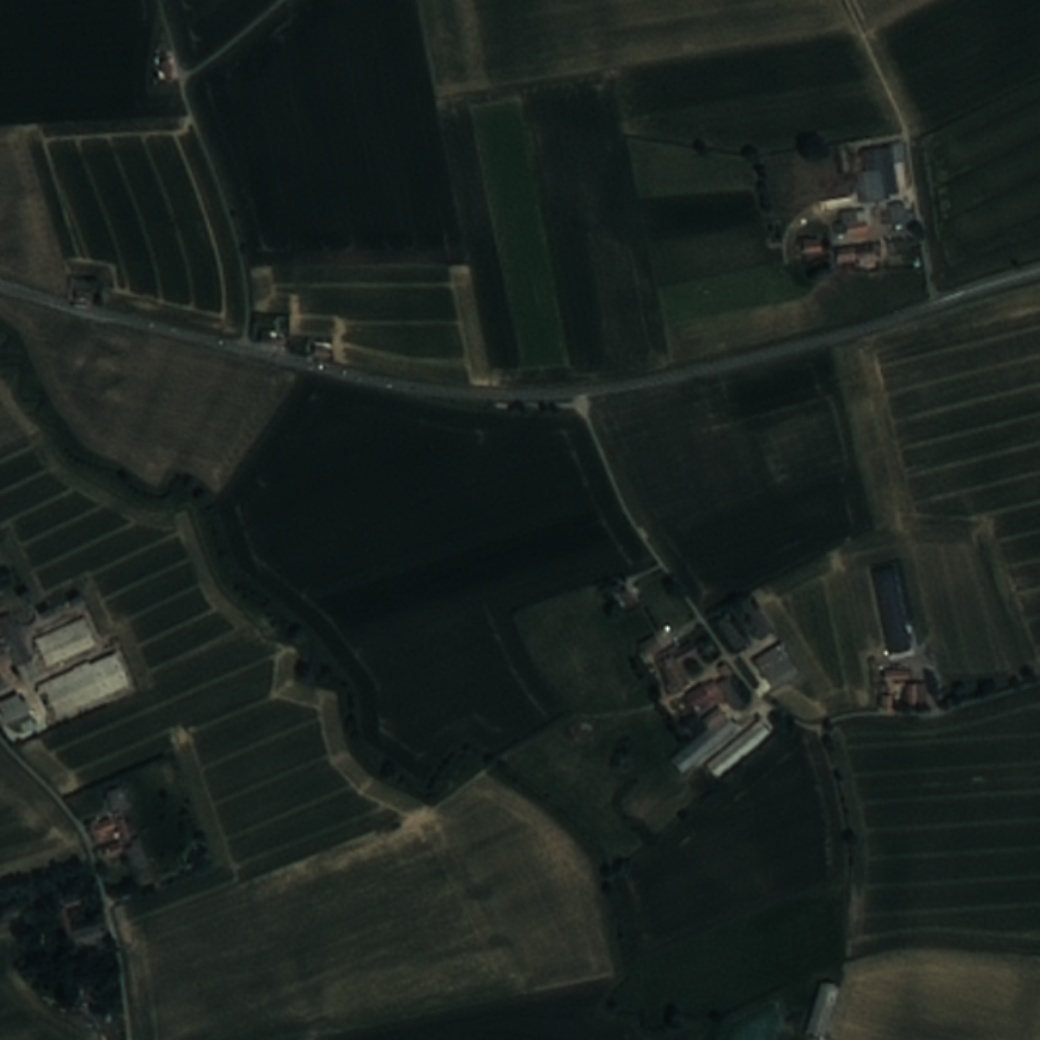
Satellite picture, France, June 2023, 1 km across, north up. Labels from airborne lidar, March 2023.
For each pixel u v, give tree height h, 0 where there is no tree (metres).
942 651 0
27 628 0
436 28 0
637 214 0
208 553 0
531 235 0
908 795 0
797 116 0
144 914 0
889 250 0
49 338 0
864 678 0
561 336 0
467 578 0
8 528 0
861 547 0
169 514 0
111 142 0
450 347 0
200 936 0
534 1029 0
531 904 0
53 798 0
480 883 0
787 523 0
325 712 0
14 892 18
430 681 0
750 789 0
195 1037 0
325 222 0
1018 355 0
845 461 0
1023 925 0
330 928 0
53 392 0
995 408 0
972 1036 0
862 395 0
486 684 0
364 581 0
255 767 0
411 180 0
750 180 0
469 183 0
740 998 0
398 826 0
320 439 0
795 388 0
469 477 0
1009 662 0
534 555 0
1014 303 0
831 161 0
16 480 0
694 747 0
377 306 0
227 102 0
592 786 0
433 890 0
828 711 0
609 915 0
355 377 0
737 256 0
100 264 0
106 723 0
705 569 0
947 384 0
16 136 0
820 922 0
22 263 0
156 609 0
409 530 0
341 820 0
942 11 0
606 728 0
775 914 0
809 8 0
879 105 0
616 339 0
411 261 0
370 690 0
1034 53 0
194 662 0
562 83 0
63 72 0
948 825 0
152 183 0
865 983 0
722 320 0
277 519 0
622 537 0
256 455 0
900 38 0
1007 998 0
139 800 0
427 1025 0
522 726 0
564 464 0
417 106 0
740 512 0
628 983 0
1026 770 0
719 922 0
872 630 0
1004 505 0
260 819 0
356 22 0
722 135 0
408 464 0
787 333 0
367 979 0
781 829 0
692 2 0
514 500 0
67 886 17
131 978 0
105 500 0
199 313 0
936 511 0
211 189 0
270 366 0
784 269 0
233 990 0
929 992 0
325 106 0
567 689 0
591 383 0
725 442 0
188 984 0
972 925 0
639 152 0
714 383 0
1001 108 0
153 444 0
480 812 0
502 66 0
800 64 0
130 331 0
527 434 0
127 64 0
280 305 0
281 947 0
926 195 0
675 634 0
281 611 0
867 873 0
